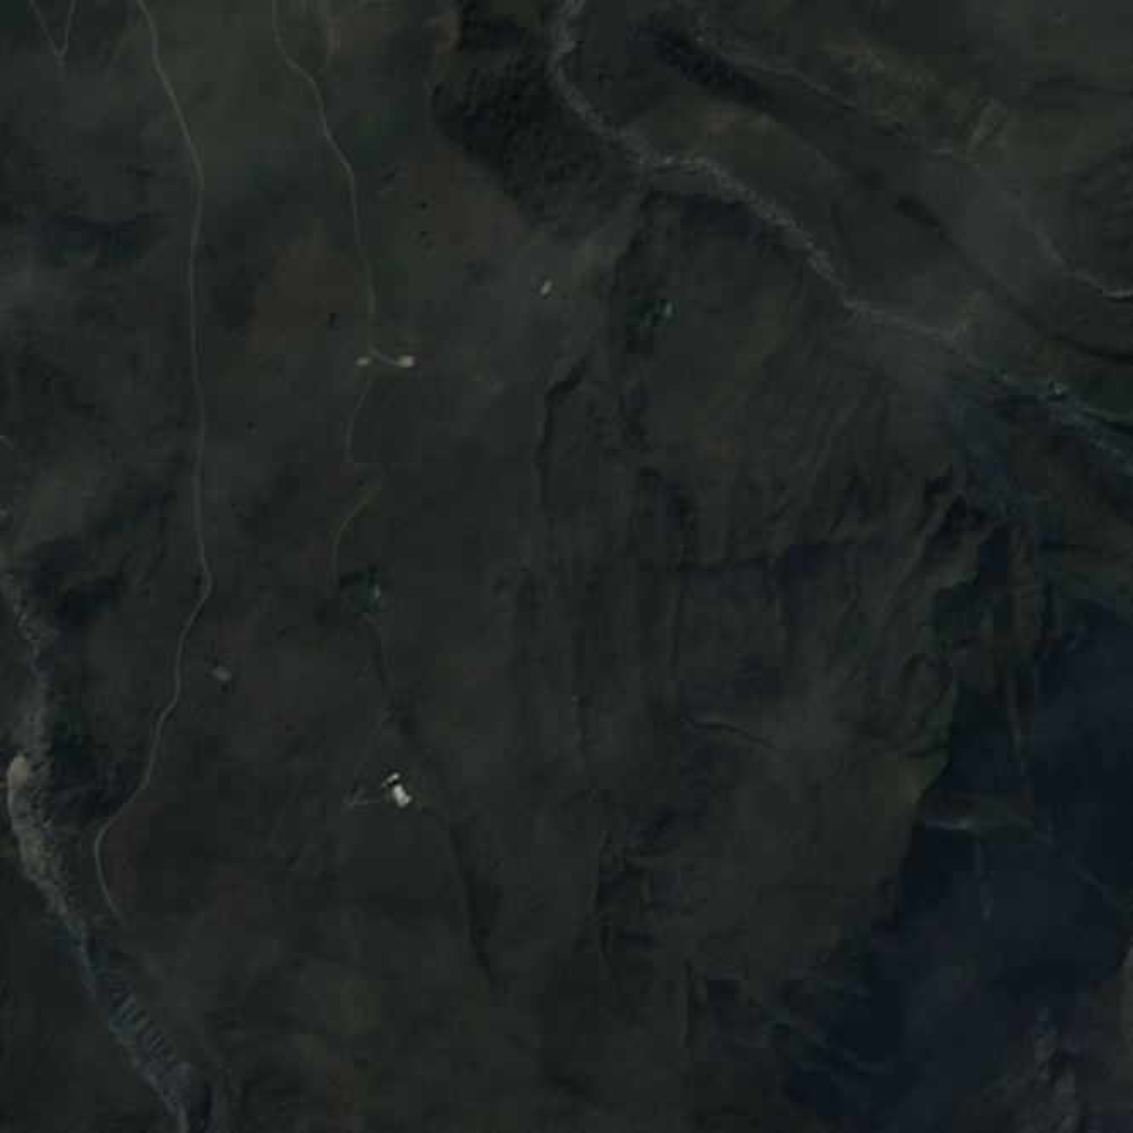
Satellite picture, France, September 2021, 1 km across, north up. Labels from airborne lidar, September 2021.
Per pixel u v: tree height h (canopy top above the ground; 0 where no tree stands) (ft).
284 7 0
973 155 0
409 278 0
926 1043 0
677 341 0
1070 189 0
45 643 0
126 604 0
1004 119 0
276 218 0
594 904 0
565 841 0
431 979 0
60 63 0
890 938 0
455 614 0
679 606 0
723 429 0
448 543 0
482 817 0
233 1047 0
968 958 0
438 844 0
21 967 0
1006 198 0
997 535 0
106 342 0
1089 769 0
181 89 0
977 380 0
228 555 0
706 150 0
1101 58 0
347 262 0
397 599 0
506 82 21
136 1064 0
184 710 0
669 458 0
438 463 0
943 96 0
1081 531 0
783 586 0
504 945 0
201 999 0
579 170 25
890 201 0
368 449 0
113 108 0
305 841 0
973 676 0
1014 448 0
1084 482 0
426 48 0
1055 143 0
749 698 0
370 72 0
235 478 0
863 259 0
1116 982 0
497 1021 0
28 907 0
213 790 0
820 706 0
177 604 0
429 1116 0
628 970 0
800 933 0
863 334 0
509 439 0
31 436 0
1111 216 0
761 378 0
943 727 0
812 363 0
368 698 0
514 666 0
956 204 0
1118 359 0
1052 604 0
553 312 0
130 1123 0
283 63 0
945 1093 0
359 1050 0
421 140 0
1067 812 0
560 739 0
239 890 0
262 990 0
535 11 0
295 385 0
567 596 0
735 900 0
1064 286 0
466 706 0
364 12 0
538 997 0
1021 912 0
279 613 0
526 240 0
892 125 0
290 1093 0
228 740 0
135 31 0
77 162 0
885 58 0
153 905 0
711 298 0
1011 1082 0
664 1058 0
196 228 0
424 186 0
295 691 0
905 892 0
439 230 0
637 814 0
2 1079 0
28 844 0
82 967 0
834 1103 0
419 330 0
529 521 0
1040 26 0
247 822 0
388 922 0
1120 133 0
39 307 0
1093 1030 0
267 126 0
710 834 0
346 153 0
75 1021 0
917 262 0
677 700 0
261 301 0
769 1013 0
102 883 0
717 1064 0
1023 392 0
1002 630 0
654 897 0
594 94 0
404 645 0
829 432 0
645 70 0
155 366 0
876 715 0
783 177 0
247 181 0
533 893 0
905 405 0
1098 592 0
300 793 0
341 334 0
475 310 0
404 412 0
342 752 0
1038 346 0
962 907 0
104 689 0
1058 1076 0
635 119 0
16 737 0
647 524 0
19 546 0
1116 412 0
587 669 0
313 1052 0
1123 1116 0
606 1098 0
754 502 0
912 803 0
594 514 0
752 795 0
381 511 0
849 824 0
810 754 0
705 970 0
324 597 0
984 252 0
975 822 0
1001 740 0
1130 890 0
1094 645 0
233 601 0
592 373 0
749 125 0
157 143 0
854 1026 0
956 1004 0
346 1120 0
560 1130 0
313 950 0
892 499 0
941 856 0
